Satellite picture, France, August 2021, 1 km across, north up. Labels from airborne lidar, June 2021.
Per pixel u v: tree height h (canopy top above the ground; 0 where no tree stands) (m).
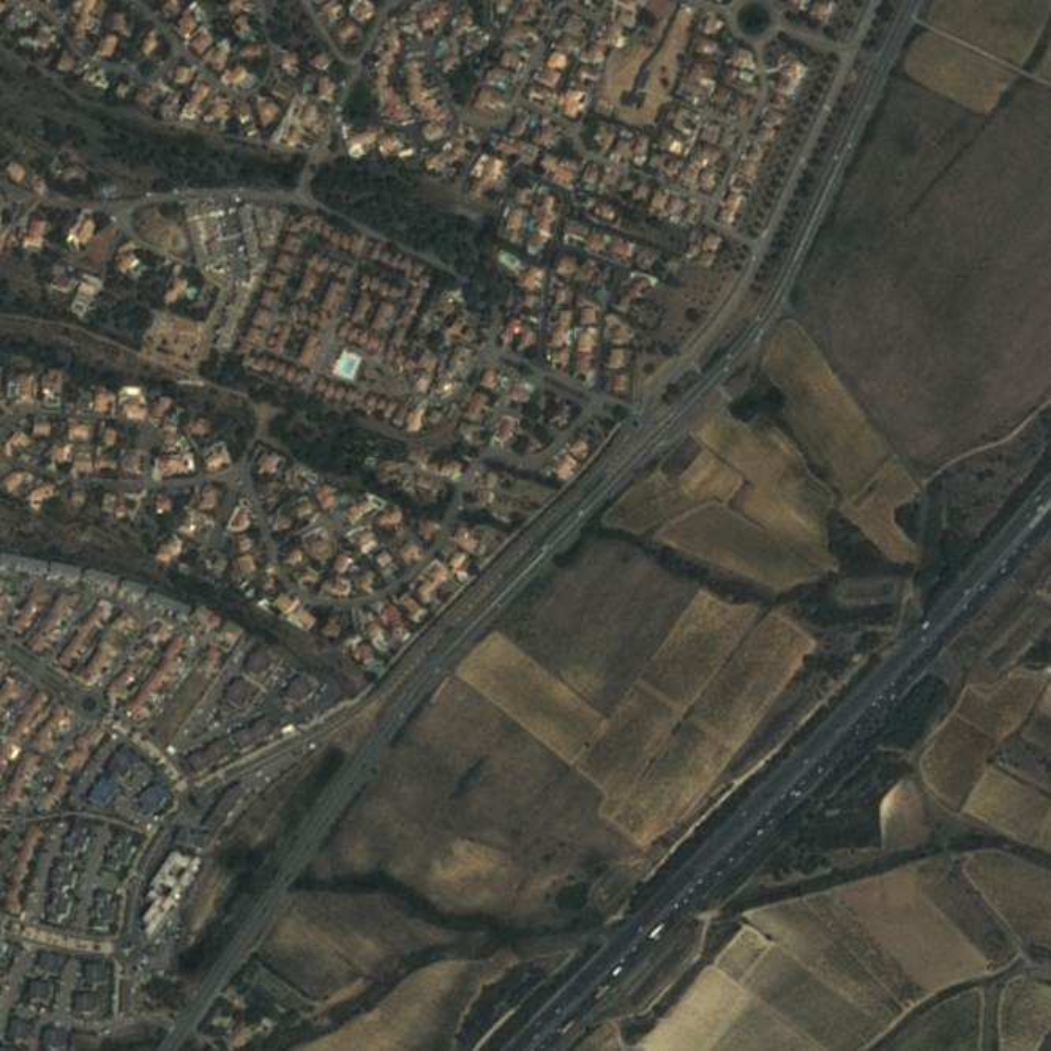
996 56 0
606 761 0
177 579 10
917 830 0
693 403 0
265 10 0
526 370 9
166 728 0
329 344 0
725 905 0
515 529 7
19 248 6
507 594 0
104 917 0
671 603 0
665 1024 0
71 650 0
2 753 0
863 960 0
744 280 0
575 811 0
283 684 0
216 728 0
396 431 0
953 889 0
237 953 0
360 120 11
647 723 0
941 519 0
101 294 8
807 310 0
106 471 7
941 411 0
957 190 0
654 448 0
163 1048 0
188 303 9
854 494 0
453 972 0
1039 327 0
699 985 0
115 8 8
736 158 0
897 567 6
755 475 0
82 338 0
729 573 0
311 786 0
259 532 9
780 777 0
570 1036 0
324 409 10
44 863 0
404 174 9
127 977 0
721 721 0
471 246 12
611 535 7
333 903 0
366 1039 0
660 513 0
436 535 8
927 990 0
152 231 0
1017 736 0
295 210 8
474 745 0
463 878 0
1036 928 0
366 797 0
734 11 0
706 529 0
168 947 0
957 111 0
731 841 0
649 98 0
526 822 0
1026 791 0
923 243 0
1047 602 0
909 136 0
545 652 0
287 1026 7
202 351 0
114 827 6
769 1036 0
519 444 9
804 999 0
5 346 11
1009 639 0
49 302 9
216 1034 8
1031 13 0
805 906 0
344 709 0
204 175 11
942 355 0
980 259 0
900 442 0
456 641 0
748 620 0
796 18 7
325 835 0
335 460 13
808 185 6
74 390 6
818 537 0
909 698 8
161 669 0
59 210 6
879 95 0
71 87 8
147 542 8
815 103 7
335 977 0
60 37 7
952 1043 0
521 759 0
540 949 0
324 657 0
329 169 11
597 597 0
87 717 0
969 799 0
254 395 9
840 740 0
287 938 0
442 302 0
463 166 11
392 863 0
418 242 7
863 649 8
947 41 0
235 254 0
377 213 13
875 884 0
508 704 0
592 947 5
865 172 0
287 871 0
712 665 0
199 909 0
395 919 0
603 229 6
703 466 0
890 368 0
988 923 0
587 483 0
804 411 0
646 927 0
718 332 0
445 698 0
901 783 0
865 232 0
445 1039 0
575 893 5
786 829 14
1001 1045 0
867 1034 0
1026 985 0
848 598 0
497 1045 8
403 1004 0
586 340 0
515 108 0
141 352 0
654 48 0
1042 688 0
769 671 0
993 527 8
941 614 0
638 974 0
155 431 0
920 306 0
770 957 0
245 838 0
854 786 9
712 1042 0
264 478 7
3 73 14
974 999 0
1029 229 0
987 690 0
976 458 0
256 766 0
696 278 0
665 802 0
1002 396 0
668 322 0
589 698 0
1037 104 0
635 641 0
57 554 6
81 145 12
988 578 0
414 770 0
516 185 8
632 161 7
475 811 0
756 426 0
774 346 0
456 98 7
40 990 0
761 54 0
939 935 0
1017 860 0
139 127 0
